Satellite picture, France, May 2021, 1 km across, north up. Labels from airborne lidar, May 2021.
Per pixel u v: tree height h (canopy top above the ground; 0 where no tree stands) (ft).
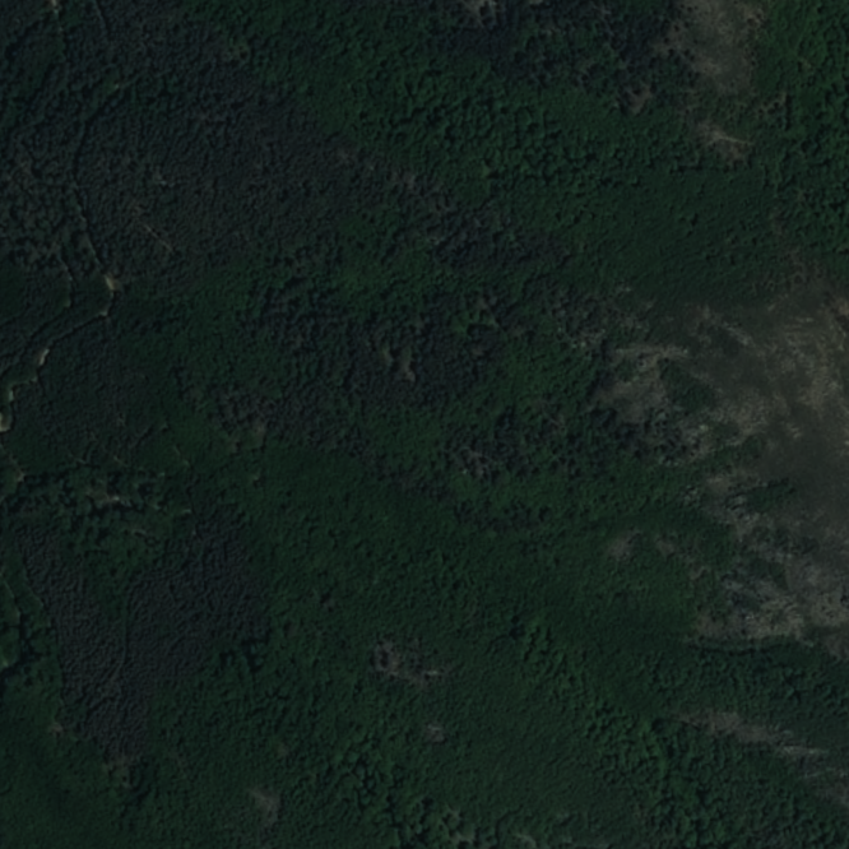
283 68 87
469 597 31
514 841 33
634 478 31
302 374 49
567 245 29
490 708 25
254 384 77
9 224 104
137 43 72
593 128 68
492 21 64
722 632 0
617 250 25
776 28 44
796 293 0
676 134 43
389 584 48
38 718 45
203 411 54
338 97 97
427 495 84
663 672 67
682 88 19
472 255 81
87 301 69
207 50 55
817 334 0
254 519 77
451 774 34
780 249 20
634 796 35
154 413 54
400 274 43
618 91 30
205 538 63
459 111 73
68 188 88
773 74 30
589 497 41
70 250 48
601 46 64
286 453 53
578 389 38
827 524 0
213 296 75
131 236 92
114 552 72
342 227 57
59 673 52
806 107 37
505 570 80
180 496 38
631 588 32
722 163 23
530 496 38
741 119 34
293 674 114
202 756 34
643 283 22
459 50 101
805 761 21
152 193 70
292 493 51
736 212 54
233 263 73
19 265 124
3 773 72
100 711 73
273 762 29
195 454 26
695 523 29
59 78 102
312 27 101
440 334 87
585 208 71
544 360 46
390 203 24
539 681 48
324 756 74
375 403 78
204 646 64
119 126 76
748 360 0
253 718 53
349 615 24
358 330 66
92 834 47
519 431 74
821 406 0
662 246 37
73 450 43
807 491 0
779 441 0
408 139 76
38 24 86
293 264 94
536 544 53
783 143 72
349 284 63
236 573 66
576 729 42
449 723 29
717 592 19
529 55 45
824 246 51
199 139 77
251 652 99
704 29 0
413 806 59
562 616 61
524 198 72
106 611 43
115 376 46
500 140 95
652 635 64
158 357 50
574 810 26
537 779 37
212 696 59
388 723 53
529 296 42
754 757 38
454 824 46
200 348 81
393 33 44
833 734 36
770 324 0
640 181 58
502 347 73
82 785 45
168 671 56
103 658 65
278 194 60
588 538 42
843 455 0
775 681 69
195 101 39
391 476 68
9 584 24
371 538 54
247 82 73
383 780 106
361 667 24
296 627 63
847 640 0
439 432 61
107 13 79
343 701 112
